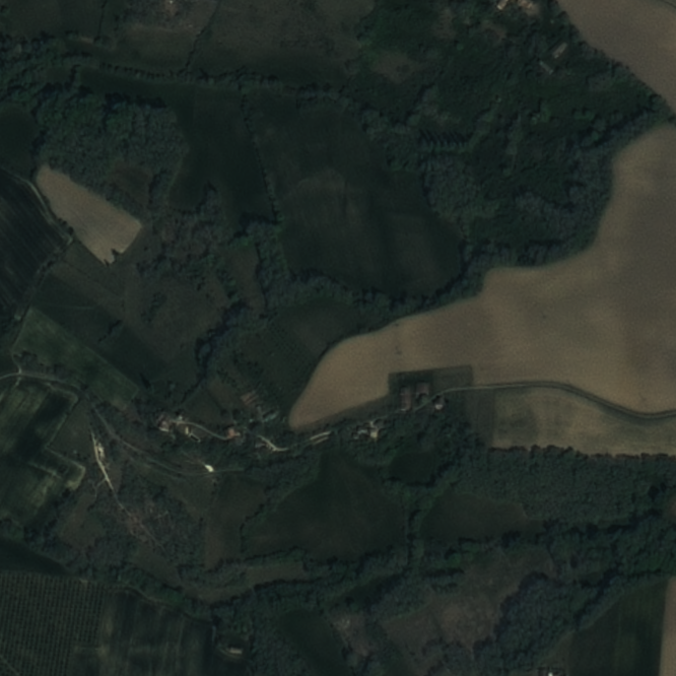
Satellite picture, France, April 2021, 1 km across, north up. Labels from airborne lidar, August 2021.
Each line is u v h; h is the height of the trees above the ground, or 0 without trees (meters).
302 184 0
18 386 0
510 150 17
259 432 17
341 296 16
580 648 0
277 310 8
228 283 6
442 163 26
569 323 0
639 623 0
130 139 20
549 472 26
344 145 0
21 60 11
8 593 5
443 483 16
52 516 0
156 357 0
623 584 14
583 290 0
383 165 0
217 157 0
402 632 0
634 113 0
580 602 17
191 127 0
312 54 0
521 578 0
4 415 0
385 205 0
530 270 0
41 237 0
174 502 15
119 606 0
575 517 26
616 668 0
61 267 0
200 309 0
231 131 0
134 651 0
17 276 0
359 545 0
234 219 0
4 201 0
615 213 0
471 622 0
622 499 22
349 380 0
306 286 23
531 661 19
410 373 0
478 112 6
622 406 0
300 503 0
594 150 21
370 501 0
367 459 17
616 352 0
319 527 0
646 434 0
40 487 0
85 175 18
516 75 8
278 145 0
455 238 0
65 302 0
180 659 0
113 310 0
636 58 0
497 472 21
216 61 0
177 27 12
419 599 22
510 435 0
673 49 0
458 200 24
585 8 0
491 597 0
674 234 0
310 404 0
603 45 0
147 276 19
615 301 0
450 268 0
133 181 0
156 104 0
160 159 20
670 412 0
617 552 24
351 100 9
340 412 0
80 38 10
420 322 0
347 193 0
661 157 0
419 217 0
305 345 0
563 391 0
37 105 17
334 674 0
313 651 0
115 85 0
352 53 0
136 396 0
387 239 0
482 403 0
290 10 0
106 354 0
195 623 0
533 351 0
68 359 0
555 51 0
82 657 0
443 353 0
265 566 17
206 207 14
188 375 0
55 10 0
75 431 0
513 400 0
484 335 0
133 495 12
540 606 21
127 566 18
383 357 0
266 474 20
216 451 19
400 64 0
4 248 0
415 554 20
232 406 0
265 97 0
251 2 0
